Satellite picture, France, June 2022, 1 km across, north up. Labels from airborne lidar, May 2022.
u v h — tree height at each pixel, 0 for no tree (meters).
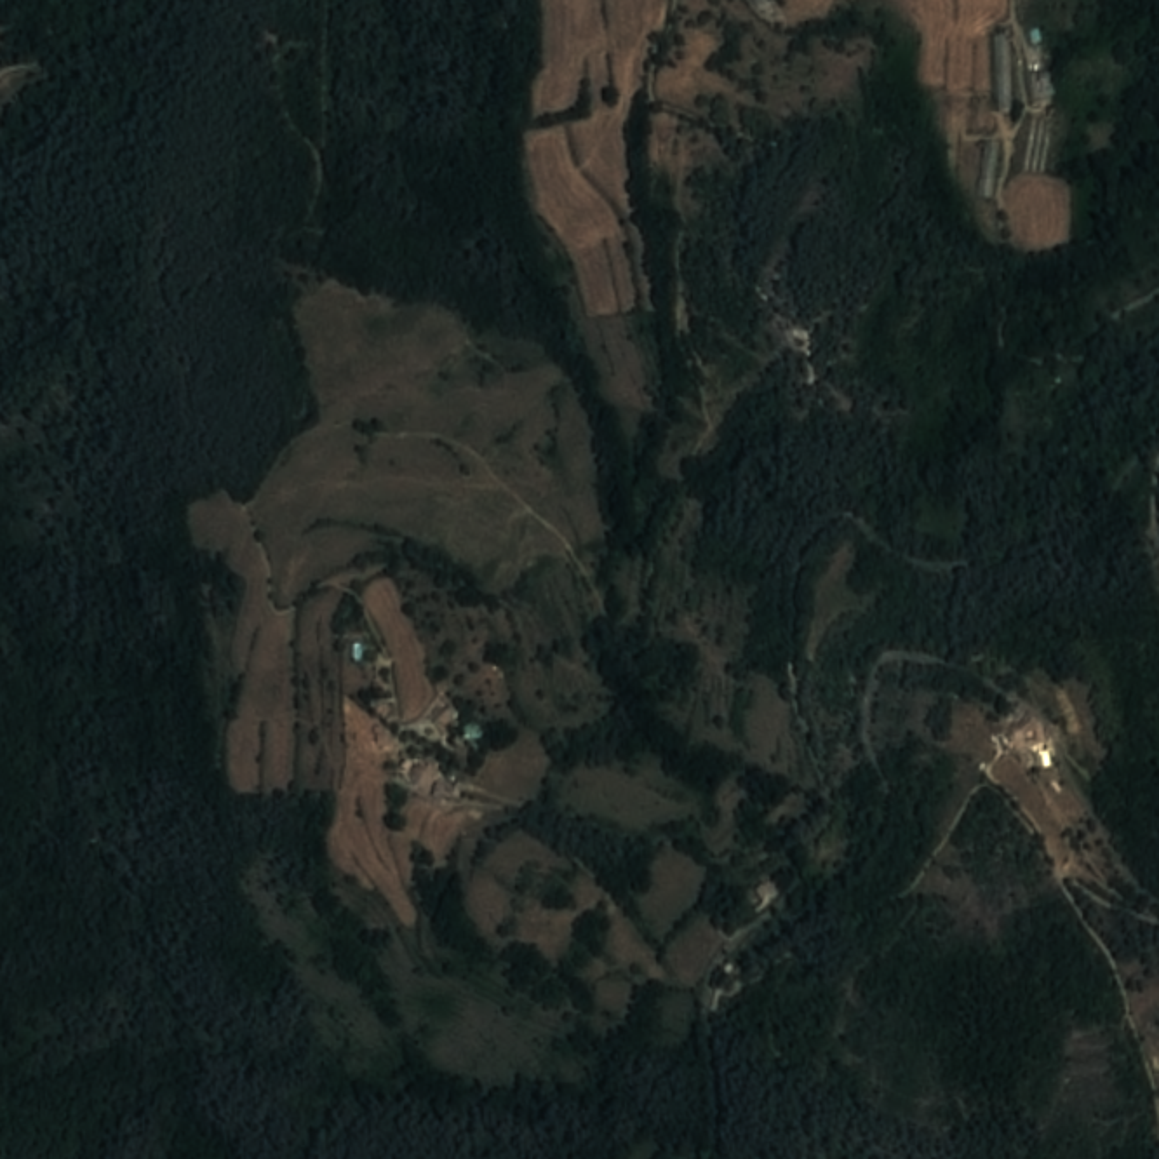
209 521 0
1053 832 0
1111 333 9
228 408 16
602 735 12
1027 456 11
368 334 0
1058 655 19
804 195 18
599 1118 17
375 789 0
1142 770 13
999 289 21
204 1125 19
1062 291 20
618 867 8
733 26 10
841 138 9
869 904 7
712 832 0
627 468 14
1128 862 9
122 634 14
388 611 0
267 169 15
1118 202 15
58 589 11
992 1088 16
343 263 13
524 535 0
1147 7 19
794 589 7
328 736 0
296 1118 18
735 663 9
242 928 12
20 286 24
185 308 14
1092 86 8
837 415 16
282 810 18
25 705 16
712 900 12
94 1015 14
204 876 16
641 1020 11
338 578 0
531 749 0
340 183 11
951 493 17
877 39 9
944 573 9
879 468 12
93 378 10
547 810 18
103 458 15
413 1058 10
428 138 8
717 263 10
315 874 12
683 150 0
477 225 14
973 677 16
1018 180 0
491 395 0
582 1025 13
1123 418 9
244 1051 15
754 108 10
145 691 8
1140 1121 7
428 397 0
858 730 9
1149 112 29
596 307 0
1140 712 11
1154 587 16
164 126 25
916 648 6
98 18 18
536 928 0
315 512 0
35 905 11
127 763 6
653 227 12
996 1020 15
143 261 20
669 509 9
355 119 24
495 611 9
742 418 7
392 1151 19
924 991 7
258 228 14
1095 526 19
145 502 8
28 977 11
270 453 12
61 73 14
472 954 6
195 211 18
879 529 12
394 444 0
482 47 13
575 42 0
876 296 22
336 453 0
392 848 0
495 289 8
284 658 0
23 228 24
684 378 8
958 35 0
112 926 19
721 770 5
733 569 10
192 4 16
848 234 11
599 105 0
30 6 15
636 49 0
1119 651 13
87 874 20
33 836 7
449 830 0
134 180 16
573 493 0
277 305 17
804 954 23
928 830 10
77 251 27
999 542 16
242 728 0
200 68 22
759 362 0
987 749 0
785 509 12
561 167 0
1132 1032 7
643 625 12
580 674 0
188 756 10
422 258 14
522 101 5
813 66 6
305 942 0
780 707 0
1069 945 12
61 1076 6
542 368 0
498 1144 12
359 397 0
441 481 0
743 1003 11
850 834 6
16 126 16
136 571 13
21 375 11
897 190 6
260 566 0
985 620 17
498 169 11
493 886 0
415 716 0
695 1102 22
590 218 0
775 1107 24
